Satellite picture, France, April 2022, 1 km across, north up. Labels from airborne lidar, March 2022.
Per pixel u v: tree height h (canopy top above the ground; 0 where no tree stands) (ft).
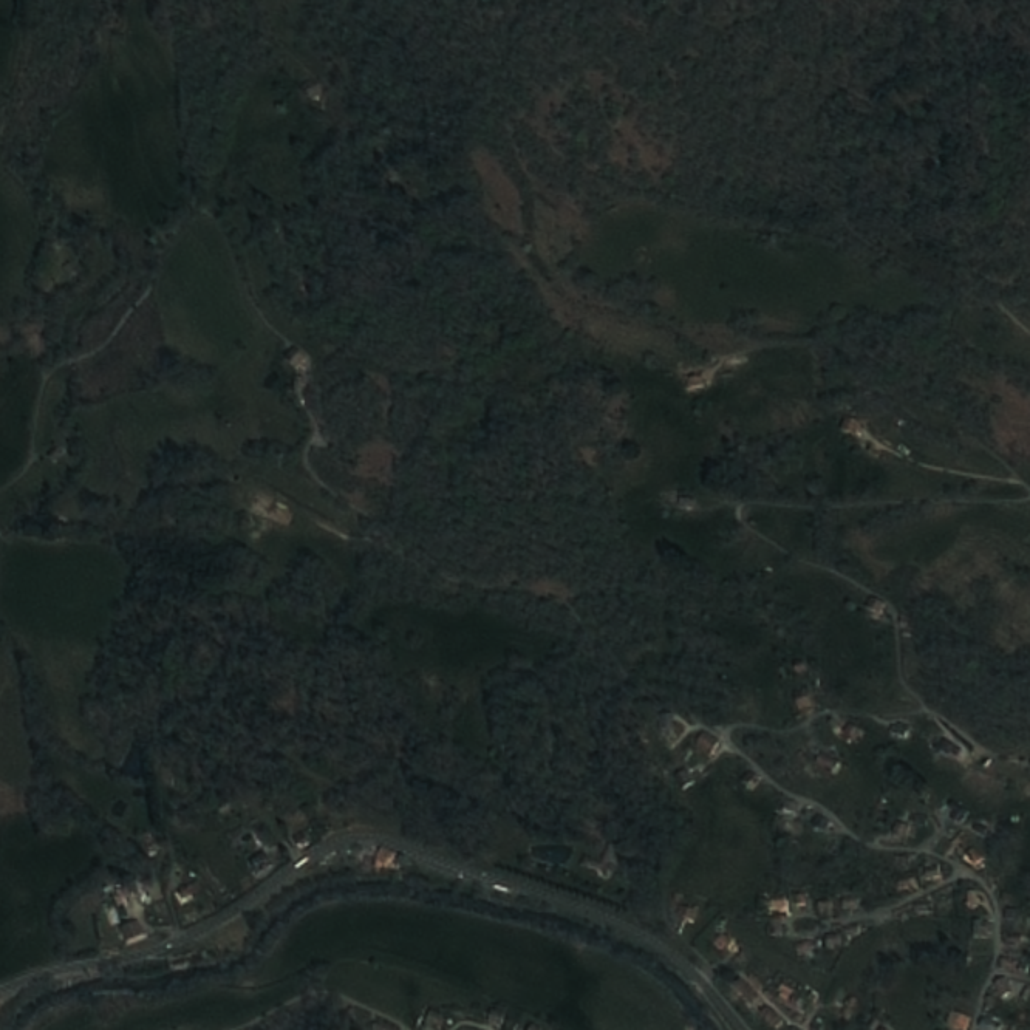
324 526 0
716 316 0
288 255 65
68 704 0
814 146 23
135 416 0
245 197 0
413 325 64
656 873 71
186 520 80
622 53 48
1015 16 46
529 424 33
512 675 56
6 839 0
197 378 92
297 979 0
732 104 27
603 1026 0
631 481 0
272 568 52
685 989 0
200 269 0
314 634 0
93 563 0
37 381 0
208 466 97
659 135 24
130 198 0
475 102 46
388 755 20
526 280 33
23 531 33
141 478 0
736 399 0
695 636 86
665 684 26
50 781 72
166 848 53
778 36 49
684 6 24
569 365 24
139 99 0
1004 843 72
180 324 0
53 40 30
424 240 87
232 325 0
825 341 66
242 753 79
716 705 25
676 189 33
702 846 0
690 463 0
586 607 22
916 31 36
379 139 79
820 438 0
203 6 49
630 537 22
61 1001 63
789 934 0
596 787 77
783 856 67
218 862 0
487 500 74
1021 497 0
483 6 22
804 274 0
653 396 0
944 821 0
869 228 75
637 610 64
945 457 0
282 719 77
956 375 29
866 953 0
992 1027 0
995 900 0
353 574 0
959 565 0
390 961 0
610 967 0
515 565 52
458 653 0
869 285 0
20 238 0
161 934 0
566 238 0
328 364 19
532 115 25
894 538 0
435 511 66
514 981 0
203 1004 0
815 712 0
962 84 93
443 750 60
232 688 93
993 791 0
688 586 41
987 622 34
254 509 0
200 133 58
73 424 64
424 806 66
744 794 0
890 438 0
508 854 0
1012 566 23
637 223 0
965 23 56
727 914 0
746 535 65
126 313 0
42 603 0
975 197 62
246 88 56
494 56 68
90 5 57
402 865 38
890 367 67
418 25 53
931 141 92
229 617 81
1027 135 32
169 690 61
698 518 0
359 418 35
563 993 0
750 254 0
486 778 59
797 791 0
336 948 0
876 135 80
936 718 0
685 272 0
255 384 0
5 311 0
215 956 37
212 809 59
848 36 58
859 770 0
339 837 0
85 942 0
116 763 20
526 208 23
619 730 57
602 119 45
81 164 0
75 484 55
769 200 80
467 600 48
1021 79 41
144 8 0
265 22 72
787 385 0
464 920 0
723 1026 0
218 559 64
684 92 27
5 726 0
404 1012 0
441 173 78
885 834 0
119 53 0
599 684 68
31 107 46
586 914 0
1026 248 70
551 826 85
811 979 0
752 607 33
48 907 0
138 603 80
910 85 106
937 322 74
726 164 73
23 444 0
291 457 43
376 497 22
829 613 0
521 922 24
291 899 66
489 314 77
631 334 0
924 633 21
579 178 46
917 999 0
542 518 46
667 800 77
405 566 67
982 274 23
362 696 26
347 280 69
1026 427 0
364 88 69
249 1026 0
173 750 91
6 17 0
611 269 0
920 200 96
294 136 0
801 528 0
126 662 71
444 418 72
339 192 67
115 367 0
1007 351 0
